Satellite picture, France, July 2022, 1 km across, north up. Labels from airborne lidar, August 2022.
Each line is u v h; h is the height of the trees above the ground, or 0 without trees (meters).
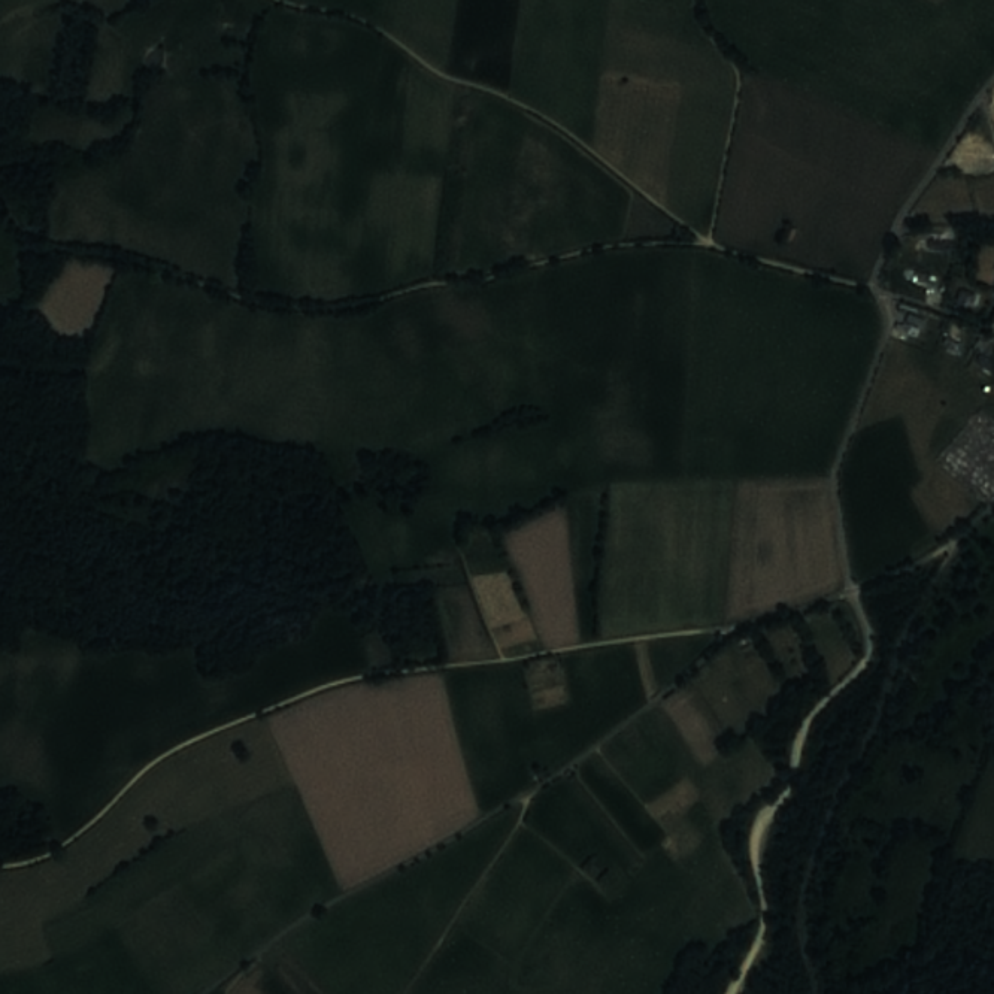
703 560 0
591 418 0
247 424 0
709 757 0
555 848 0
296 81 0
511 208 0
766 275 0
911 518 0
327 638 0
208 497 15
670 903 0
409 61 0
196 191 0
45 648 0
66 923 0
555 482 0
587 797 0
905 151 0
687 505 0
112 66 0
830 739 19
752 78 0
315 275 0
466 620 0
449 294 0
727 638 9
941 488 0
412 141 0
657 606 0
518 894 0
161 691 0
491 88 0
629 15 0
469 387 0
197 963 0
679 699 0
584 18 0
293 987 0
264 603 26
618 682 0
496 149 0
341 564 24
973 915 18
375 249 0
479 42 0
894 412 0
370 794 0
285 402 0
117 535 17
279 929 0
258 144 7
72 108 17
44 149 9
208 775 0
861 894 0
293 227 0
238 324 0
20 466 14
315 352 0
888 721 20
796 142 0
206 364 0
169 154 0
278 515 18
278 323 0
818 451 0
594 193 0
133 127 9
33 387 14
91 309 0
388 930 0
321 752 0
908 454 0
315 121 0
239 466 16
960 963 18
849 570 0
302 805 0
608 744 0
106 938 0
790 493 0
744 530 0
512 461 0
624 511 0
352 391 0
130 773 0
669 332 0
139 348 0
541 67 0
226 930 0
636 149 0
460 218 0
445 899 0
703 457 0
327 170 0
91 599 22
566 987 0
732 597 0
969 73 0
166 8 0
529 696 0
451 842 0
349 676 0
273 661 0
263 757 0
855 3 0
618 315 0
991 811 0
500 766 0
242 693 0
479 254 0
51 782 0
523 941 0
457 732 0
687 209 0
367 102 0
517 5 0
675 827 0
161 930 0
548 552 0
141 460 8
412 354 0
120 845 0
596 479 0
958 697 18
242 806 0
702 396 0
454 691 0
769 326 0
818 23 0
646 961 0
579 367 0
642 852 0
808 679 14
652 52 0
